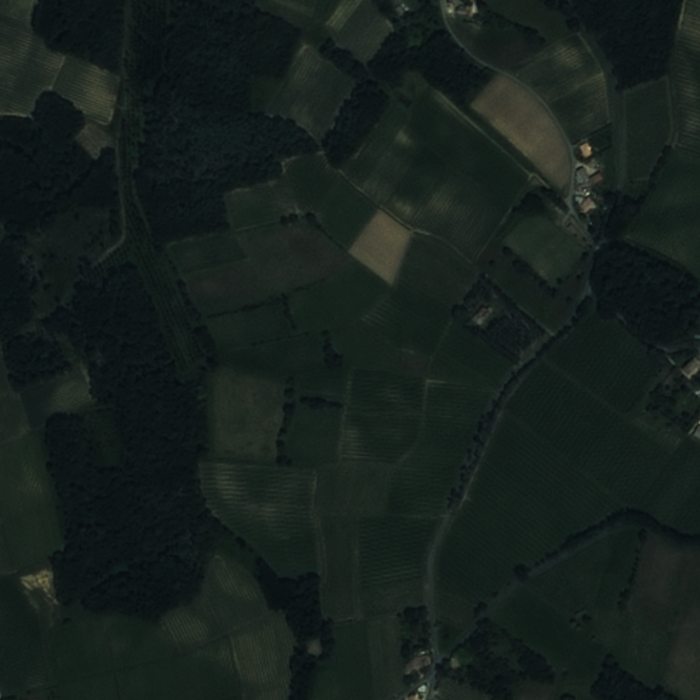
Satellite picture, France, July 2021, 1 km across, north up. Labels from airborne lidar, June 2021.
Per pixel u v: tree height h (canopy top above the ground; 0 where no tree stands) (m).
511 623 0
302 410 0
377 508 0
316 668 17
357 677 0
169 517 19
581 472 0
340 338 0
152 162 17
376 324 0
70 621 6
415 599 0
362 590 0
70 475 16
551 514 0
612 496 0
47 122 23
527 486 0
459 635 0
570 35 0
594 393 0
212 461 0
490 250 0
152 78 16
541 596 0
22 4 0
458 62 12
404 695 0
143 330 19
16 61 0
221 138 22
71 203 18
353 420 0
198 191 18
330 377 0
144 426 19
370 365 0
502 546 0
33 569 0
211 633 0
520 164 0
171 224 19
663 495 0
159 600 25
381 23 0
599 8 21
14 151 26
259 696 0
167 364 22
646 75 15
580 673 0
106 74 0
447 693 0
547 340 0
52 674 0
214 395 0
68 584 16
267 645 0
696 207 0
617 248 25
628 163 0
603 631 0
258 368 0
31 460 0
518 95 0
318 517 0
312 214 13
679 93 0
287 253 0
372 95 21
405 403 0
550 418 0
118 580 19
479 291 15
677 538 16
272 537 0
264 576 13
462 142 0
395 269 0
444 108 0
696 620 0
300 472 0
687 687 0
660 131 0
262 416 0
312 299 0
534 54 0
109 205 24
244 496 0
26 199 9
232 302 0
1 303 15
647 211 0
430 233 0
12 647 0
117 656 0
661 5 18
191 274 0
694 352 11
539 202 10
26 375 21
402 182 0
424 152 0
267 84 0
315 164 0
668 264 20
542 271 0
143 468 20
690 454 0
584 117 0
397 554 0
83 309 19
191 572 23
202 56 18
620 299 18
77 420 19
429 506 0
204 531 15
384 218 0
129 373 20
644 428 0
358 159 0
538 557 0
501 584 0
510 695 8
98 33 13
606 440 0
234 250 0
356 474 0
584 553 0
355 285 0
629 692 22
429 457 0
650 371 0
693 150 0
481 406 0
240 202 0
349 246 0
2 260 13
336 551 0
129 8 0
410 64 13
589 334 0
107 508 16
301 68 0
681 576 0
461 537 0
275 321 0
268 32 10
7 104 0
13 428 0
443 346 0
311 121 0
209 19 20
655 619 0
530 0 0
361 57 0
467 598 0
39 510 0
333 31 0
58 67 0
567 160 0
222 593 0
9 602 0
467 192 0
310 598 26
